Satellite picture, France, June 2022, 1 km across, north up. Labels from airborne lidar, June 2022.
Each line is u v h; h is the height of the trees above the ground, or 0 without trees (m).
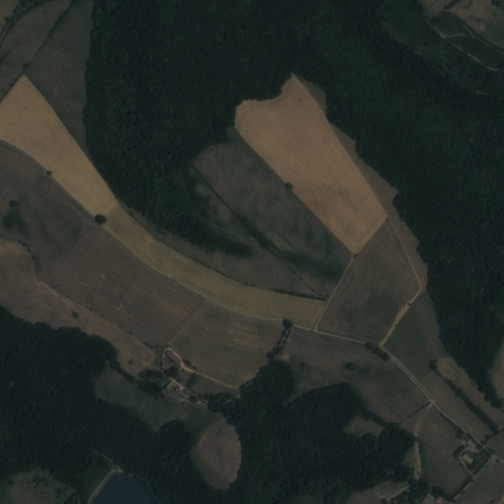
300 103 0
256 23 23
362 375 0
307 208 0
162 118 15
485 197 19
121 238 0
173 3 16
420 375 0
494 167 11
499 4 22
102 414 17
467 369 10
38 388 14
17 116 0
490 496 0
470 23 0
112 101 20
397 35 0
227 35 16
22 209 0
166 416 0
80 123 0
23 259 0
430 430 0
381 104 14
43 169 0
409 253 0
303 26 13
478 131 21
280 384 19
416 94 16
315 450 16
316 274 0
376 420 12
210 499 15
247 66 20
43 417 18
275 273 0
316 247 0
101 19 12
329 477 23
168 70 18
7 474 23
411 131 18
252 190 0
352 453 24
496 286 7
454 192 18
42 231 0
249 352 0
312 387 0
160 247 0
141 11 23
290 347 0
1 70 0
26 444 22
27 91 0
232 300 0
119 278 0
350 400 18
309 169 0
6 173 0
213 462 0
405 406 0
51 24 0
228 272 0
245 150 0
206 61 17
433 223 18
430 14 0
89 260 0
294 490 17
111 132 22
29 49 0
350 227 0
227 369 0
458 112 20
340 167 0
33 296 0
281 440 22
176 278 0
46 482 10
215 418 0
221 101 16
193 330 0
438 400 0
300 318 0
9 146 0
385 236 0
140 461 16
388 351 0
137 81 22
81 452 7
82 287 0
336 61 14
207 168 0
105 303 0
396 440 14
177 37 16
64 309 0
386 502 8
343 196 0
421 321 0
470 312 24
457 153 15
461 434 11
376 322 0
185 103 17
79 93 0
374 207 0
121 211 0
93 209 0
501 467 0
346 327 0
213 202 0
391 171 18
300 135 0
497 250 19
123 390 0
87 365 18
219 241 0
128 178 20
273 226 0
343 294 0
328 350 0
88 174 0
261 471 12
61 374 20
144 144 22
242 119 0
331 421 16
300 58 17
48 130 0
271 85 17
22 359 23
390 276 0
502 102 10
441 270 23
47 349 17
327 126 0
